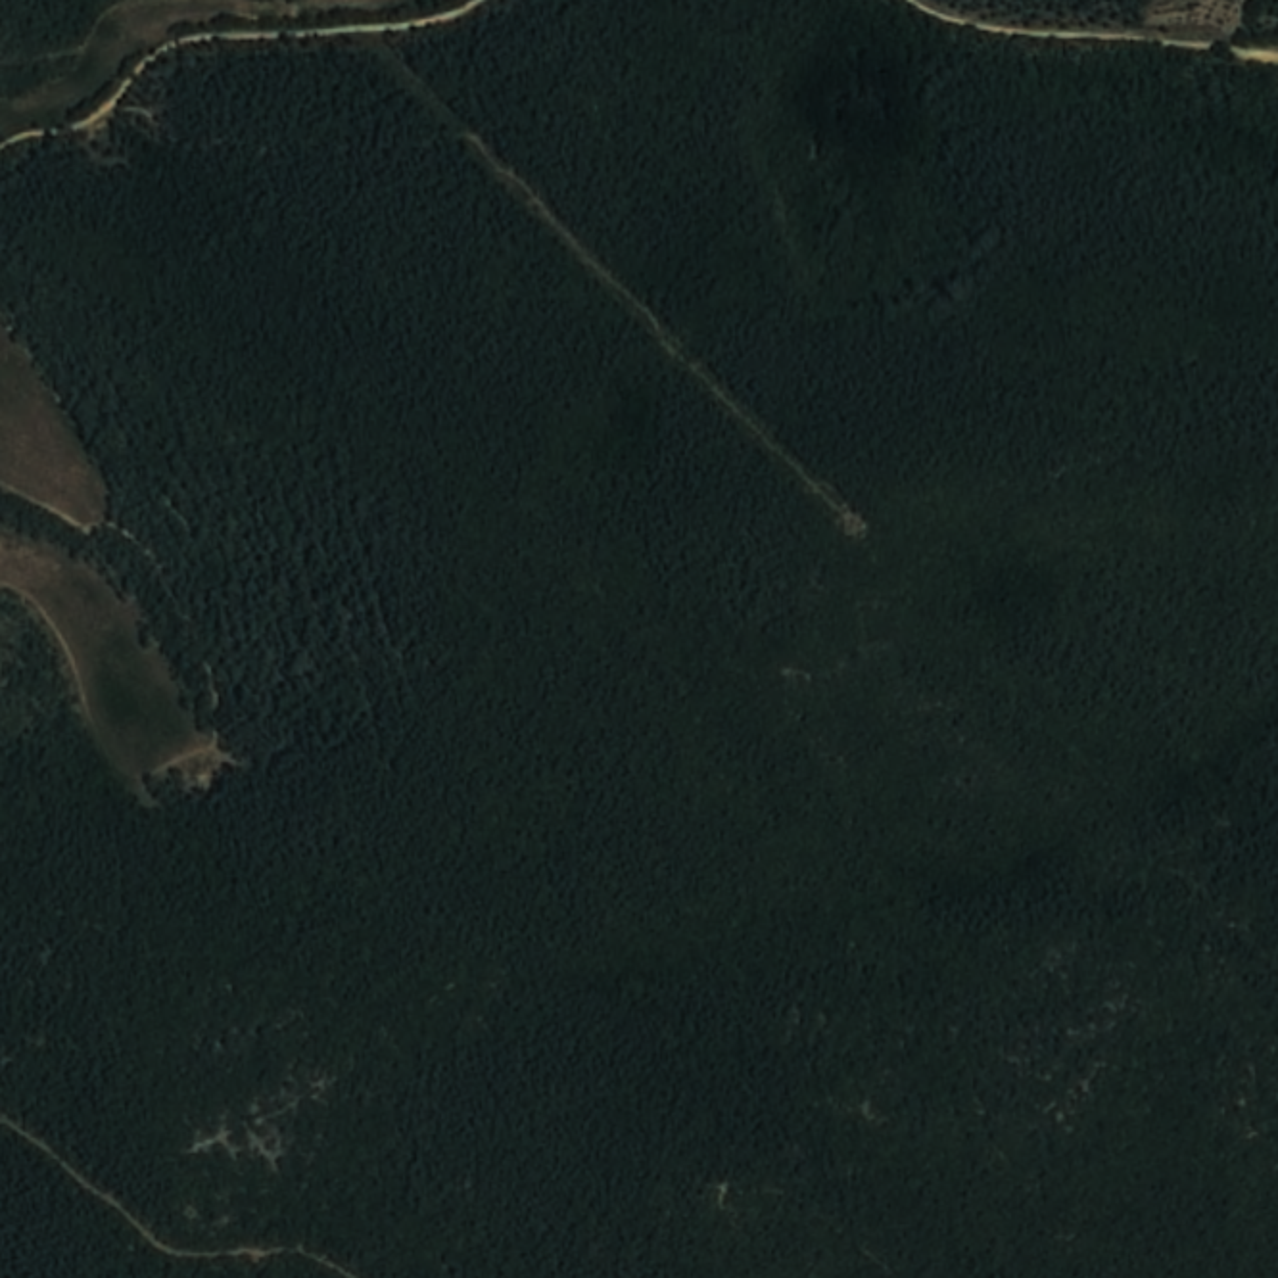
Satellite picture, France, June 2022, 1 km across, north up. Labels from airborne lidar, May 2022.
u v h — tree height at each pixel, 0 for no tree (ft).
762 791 31
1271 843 40
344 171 44
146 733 0
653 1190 39
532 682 26
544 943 43
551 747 27
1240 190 30
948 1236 25
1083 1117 25
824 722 19
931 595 23
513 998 30
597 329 44
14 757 27
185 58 47
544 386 42
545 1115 25
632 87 36
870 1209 26
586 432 39
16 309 48
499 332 42
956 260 41
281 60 64
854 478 29
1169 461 31
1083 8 57
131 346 35
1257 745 36
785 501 34
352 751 58
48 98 0
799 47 56
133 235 61
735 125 53
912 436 40
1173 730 33
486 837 28
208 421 25
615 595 24
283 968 33
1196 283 36
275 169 51
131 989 44
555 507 30
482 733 34
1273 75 41
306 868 43
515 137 34
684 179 45
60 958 37
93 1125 27
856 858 25
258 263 48
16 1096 28
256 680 46
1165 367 21
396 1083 24
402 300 37
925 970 22
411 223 52
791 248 50
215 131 52
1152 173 59
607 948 36
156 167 44
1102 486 22
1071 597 27
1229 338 33
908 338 51
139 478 28
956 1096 29
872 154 68
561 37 45
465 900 38
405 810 27
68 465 0
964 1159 22
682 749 38
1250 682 47
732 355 44
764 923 28
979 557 41
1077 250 57
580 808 29
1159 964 18
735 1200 19
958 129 25
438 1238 21
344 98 50
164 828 24
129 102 32
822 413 44
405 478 45
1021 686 22
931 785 19
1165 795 39
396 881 32
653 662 28
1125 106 27
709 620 31
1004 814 22
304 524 48
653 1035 50
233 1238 26
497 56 55
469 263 31
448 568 45
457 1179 39
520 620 28
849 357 55
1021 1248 23
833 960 27
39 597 0
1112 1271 20
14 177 56
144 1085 19
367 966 41
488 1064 44
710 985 32
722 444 24
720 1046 27
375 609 38
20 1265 59
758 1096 28
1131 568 25
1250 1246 22
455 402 46
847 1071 22
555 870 32
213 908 25
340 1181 19
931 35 42
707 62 21
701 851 38
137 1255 29
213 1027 19
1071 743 23
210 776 0
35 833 39
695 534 25
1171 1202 40
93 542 39
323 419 37
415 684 35
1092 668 43
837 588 18
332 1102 19
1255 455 35
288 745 34
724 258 30
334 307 52
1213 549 30
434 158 56
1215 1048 23
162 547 41
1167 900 40
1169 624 56
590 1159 45
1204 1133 20
